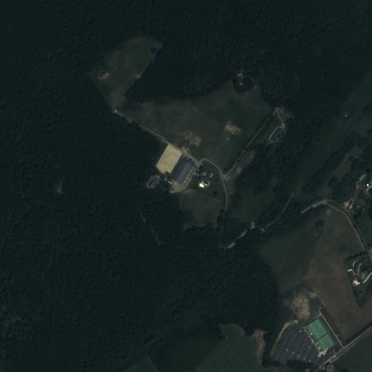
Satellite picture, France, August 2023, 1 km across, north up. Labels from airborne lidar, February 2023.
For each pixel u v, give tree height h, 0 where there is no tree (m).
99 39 25
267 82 16
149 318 23
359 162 11
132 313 23
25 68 24
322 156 0
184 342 0
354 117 0
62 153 24
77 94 27
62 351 21
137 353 23
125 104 0
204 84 21
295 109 23
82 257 24
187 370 0
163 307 21
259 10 13
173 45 25
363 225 0
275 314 7
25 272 26
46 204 23
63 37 25
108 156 23
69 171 27
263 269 13
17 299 21
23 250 23
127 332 27
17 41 24
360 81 18
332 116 18
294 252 0
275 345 0
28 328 23
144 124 0
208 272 18
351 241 0
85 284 27
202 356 0
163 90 27
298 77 25
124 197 27
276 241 0
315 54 20
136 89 16
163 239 25
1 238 23
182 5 29
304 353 0
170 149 0
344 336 0
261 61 18
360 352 0
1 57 25
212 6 28
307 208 0
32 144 28
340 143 0
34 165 22
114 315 26
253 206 0
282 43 29
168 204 24
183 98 12
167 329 26
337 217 0
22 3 23
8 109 24
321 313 0
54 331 23
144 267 27
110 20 26
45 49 23
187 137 0
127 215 25
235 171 0
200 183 0
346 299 0
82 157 20
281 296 0
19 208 23
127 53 0
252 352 0
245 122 0
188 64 28
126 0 25
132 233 24
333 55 20
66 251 24
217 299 23
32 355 24
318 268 0
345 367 0
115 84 0
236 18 15
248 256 20
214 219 0
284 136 11
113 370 20
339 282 0
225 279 24
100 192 27
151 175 20
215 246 18
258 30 16
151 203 25
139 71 0
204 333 0
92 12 25
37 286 23
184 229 24
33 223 23
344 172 0
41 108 26
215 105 0
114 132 26
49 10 25
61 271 22
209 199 0
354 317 0
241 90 17
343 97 22
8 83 23
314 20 17
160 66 26
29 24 23
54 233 24
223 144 0
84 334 28
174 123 0
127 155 24
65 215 25
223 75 18
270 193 0
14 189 26
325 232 0
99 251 26
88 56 25
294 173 23
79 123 26
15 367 25
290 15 18
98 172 25
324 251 0
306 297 0
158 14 26
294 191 0
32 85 24
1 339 20
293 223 16
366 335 0
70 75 25
